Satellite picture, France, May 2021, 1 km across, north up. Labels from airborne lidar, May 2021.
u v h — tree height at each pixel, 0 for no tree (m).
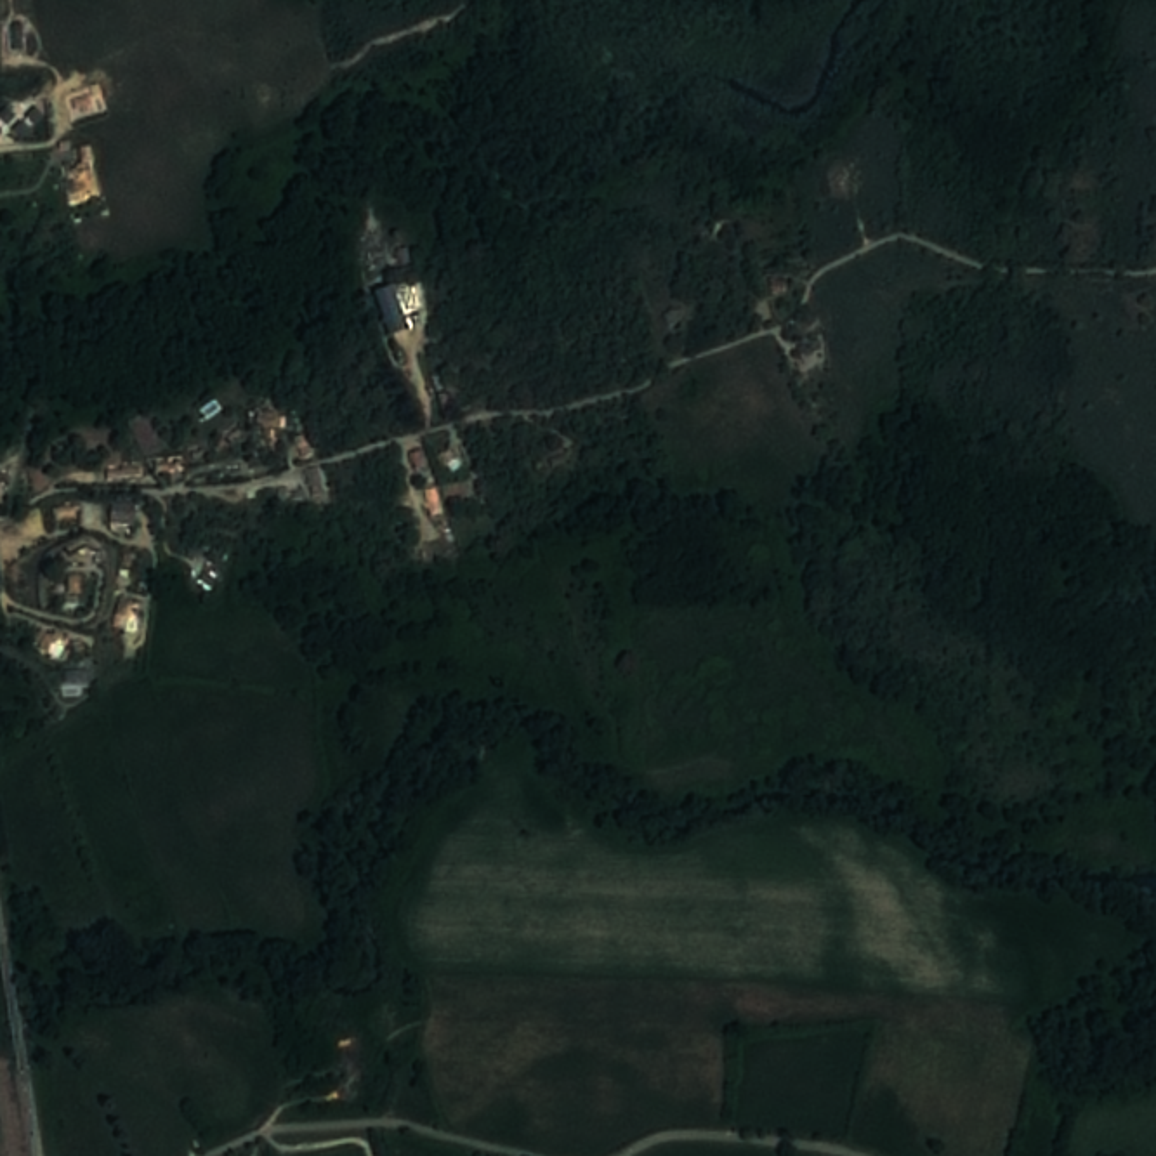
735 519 15
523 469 10
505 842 0
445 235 19
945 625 9
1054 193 9
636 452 12
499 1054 0
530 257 13
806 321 8
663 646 0
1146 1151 0
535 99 31
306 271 24
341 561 7
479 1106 0
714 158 16
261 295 24
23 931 16
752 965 0
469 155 23
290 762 0
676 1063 0
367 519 8
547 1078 0
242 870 0
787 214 0
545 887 0
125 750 0
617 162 12
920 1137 0
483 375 15
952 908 0
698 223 7
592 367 10
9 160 7
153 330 24
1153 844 0
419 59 17
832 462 11
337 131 23
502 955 0
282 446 10
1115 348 0
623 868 0
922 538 18
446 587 9
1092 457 0
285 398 11
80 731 0
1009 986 0
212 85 0
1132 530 16
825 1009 0
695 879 0
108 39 0
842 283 0
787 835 0
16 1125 0
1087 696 0
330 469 7
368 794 18
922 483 21
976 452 16
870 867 0
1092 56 14
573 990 0
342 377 10
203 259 18
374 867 19
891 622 7
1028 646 19
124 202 0
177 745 0
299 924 0
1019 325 8
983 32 11
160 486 10
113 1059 0
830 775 26
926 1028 0
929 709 10
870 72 14
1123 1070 32
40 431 17
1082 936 0
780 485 0
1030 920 0
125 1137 10
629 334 9
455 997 0
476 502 13
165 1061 0
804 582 10
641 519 28
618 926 0
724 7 21
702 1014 0
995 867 19
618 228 7
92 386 22
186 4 0
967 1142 0
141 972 29
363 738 8
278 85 0
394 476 9
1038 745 9
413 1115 0
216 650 0
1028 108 16
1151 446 0
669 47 23
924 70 7
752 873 0
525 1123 0
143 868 0
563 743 22
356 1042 0
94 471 12
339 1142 0
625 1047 0
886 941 0
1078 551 23
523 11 11
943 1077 0
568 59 20
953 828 19
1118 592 8
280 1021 9
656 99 15
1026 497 21
